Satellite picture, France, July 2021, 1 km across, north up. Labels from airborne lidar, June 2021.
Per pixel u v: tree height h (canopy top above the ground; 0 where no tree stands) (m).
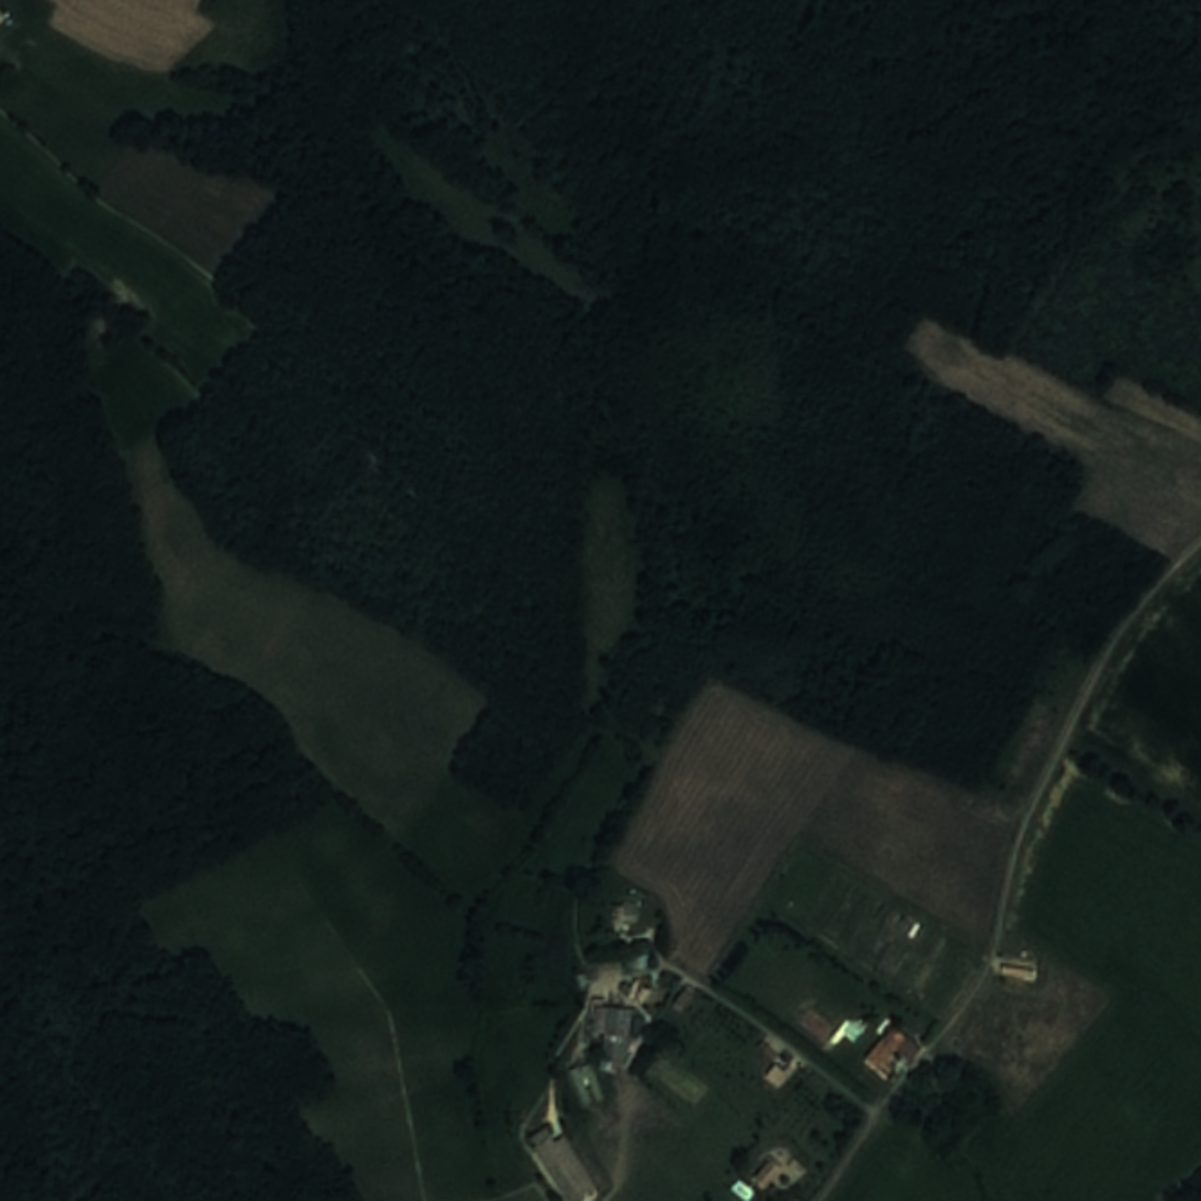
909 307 20
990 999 0
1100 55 21
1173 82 20
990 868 0
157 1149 15
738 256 10
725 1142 0
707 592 13
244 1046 20
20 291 24
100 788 25
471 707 0
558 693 19
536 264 0
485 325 24
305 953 0
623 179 25
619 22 19
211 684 20
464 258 20
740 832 0
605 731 6
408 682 0
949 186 24
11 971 21
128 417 0
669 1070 0
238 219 0
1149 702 0
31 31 0
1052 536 11
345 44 22
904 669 14
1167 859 0
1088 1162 0
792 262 18
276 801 19
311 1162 19
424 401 15
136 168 0
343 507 13
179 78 10
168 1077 19
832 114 25
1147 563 13
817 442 10
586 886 24
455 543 13
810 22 18
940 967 0
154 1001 20
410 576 17
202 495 20
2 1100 16
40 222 0
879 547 7
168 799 22
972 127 25
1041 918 0
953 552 12
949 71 12
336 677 0
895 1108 11
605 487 0
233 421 17
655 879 0
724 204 19
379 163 21
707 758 0
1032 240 21
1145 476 0
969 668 10
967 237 21
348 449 12
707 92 19
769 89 19
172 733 23
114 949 18
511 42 20
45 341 22
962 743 9
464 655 16
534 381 22
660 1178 0
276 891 0
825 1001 0
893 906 0
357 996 0
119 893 23
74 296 10
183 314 0
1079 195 20
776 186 16
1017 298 19
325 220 27
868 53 22
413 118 20
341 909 0
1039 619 10
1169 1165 0
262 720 21
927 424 19
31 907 23
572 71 22
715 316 8
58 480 14
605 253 30
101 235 0
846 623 17
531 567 14
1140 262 7
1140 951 0
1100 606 11
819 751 0
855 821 0
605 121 23
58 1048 14
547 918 0
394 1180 0
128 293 0
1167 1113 0
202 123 20
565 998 0
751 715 0
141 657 19
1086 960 0
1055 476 12
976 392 0
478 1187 0
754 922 0
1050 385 0
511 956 0
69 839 18
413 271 25
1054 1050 0
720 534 16
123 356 0
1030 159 22
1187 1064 0
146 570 19
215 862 17
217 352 0
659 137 18
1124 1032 0
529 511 22
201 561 0
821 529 8
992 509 10
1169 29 10
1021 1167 0
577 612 17
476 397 21
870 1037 0
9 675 28
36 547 9
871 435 10
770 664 7
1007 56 21
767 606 18
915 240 18
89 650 20
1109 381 15
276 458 17
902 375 10
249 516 24
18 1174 19
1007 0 22
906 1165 0
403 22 17
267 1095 20
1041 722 0
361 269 29
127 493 21
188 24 0
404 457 15
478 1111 6
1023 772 0
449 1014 0
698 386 6
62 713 30
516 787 20
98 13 0
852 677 11
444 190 0
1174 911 0
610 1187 0
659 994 0
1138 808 0
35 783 25
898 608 13
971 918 0
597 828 0
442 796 0
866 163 25
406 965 0
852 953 0
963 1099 9
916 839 0
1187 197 8
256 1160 22
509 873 9
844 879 0
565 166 17
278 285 13
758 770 0
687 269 7
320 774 14
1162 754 0
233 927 0
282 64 6
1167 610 0
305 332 12
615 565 0
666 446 10
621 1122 0
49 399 19
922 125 14
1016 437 17
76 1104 17
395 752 0
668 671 9
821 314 18
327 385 19
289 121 27
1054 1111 0
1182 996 0
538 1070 0
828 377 8
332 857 0
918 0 23
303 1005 0
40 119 0
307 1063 18
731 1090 0
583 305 20
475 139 19
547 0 25
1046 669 9
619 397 15
